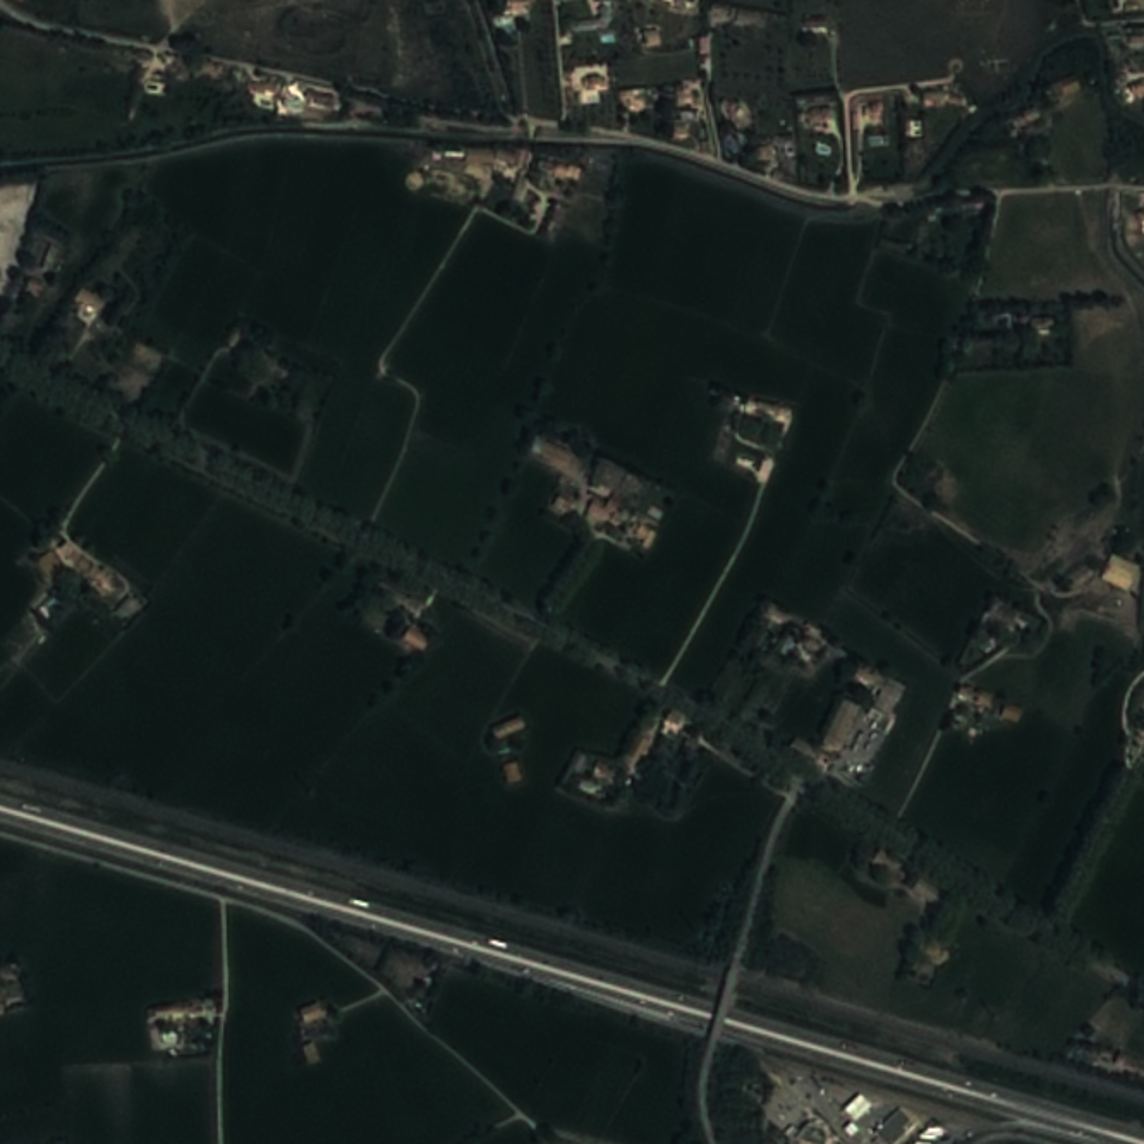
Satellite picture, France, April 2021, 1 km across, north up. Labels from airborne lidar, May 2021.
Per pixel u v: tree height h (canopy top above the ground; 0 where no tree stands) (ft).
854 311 0
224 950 0
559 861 0
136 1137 0
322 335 0
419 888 0
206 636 0
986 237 39
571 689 0
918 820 0
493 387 0
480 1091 0
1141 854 0
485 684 0
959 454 0
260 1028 0
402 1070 0
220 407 0
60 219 0
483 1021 0
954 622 0
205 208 0
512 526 0
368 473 0
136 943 0
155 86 0
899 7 0
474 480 0
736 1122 40
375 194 0
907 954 55
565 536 0
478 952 0
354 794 0
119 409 42
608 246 17
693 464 0
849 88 0
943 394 0
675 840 0
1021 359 26
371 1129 0
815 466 0
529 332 0
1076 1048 21
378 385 0
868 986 0
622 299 0
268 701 0
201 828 0
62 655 0
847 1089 0
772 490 0
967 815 0
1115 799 76
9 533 0
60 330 30
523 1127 0
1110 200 0
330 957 0
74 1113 0
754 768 48
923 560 0
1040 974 0
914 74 0
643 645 0
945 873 85
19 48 0
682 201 0
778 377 0
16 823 0
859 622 0
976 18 0
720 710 71
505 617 71
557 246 0
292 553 0
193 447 67
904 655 0
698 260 0
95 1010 0
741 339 0
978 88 0
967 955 0
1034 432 0
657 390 0
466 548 0
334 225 0
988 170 0
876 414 0
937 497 30
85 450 0
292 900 0
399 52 0
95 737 0
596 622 0
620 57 27
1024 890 0
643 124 21
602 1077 0
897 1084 0
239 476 54
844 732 0
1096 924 0
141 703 0
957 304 0
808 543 0
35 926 0
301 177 0
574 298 0
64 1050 0
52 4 0
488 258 0
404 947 27
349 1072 0
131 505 0
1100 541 0
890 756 0
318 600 0
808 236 0
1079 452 0
